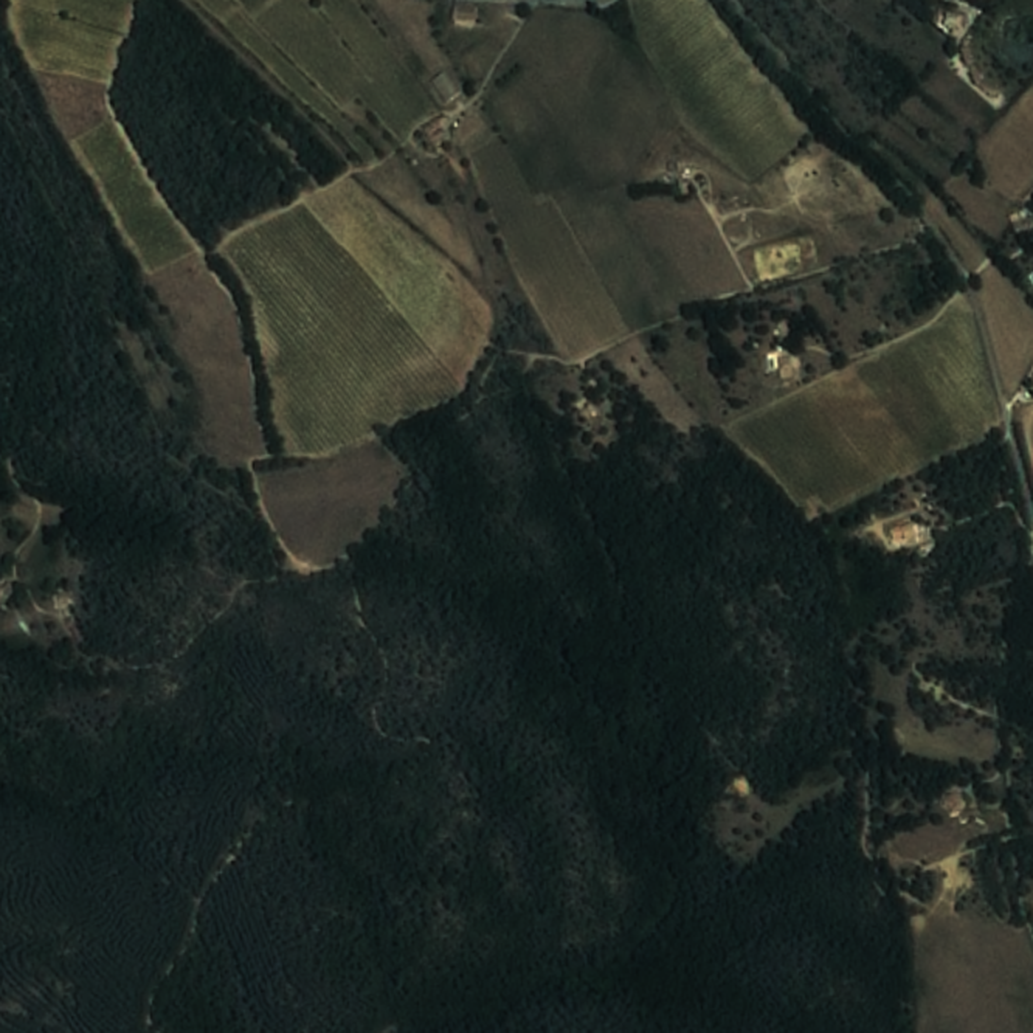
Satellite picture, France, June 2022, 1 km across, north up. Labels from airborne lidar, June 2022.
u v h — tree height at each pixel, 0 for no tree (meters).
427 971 7
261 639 12
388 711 12
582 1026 17
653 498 11
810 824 12
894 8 8
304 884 17
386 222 0
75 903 13
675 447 7
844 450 0
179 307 0
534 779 11
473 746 12
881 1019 10
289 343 0
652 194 5
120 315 12
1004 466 8
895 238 0
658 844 16
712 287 0
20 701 8
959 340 0
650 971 15
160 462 12
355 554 11
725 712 10
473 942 6
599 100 0
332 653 9
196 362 0
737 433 0
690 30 0
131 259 9
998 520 13
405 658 11
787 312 6
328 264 0
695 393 0
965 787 10
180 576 10
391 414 0
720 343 14
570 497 12
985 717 6
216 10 0
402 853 9
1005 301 0
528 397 8
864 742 16
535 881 19
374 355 0
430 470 18
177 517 15
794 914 12
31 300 11
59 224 14
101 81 0
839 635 19
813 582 20
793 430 0
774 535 11
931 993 0
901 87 9
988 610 10
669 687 18
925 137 10
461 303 0
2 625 0
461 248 0
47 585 7
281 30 0
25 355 13
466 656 15
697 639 9
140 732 7
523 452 10
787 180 0
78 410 14
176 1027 8
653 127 0
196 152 13
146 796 9
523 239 0
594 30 0
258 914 13
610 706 17
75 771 6
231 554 12
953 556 12
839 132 10
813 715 7
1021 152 0
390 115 0
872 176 9
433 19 9
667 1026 14
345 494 0
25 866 8
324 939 16
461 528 12
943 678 8
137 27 10
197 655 6
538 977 9
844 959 10
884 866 12
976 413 0
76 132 0
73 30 0
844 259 8
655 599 15
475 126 0
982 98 0
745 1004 13
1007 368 0
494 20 0
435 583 8
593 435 10
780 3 11
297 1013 16
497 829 10
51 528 11
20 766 7
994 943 0
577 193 0
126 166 0
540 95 0
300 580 9
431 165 0
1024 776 15
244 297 10
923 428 0
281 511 0
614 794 15
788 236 0
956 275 12
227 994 17
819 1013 9
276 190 14
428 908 15
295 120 7
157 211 0
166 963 12
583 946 6
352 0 0
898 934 7
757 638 8
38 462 14
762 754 11
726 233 0
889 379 0
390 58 0
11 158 14
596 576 16
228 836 12
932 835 0
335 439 0
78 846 18
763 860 14
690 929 14
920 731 0
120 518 18
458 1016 7
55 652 10
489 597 15
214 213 16
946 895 0
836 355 7
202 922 11
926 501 9
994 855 15
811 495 0
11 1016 10
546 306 0
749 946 19
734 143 0
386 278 0
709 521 10
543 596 12
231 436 0
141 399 14
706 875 13
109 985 11
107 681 11
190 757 10
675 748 10
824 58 15
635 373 0
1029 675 10
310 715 14
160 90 15
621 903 9
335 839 14
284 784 11
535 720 15
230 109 16
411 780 11
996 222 0
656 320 0
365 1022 14
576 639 17
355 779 10
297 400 0
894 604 6
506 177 0
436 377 0
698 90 0
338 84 0
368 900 13
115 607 8
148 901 12
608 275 0
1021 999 0
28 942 6
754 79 0
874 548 6
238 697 10
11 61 6
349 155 7
